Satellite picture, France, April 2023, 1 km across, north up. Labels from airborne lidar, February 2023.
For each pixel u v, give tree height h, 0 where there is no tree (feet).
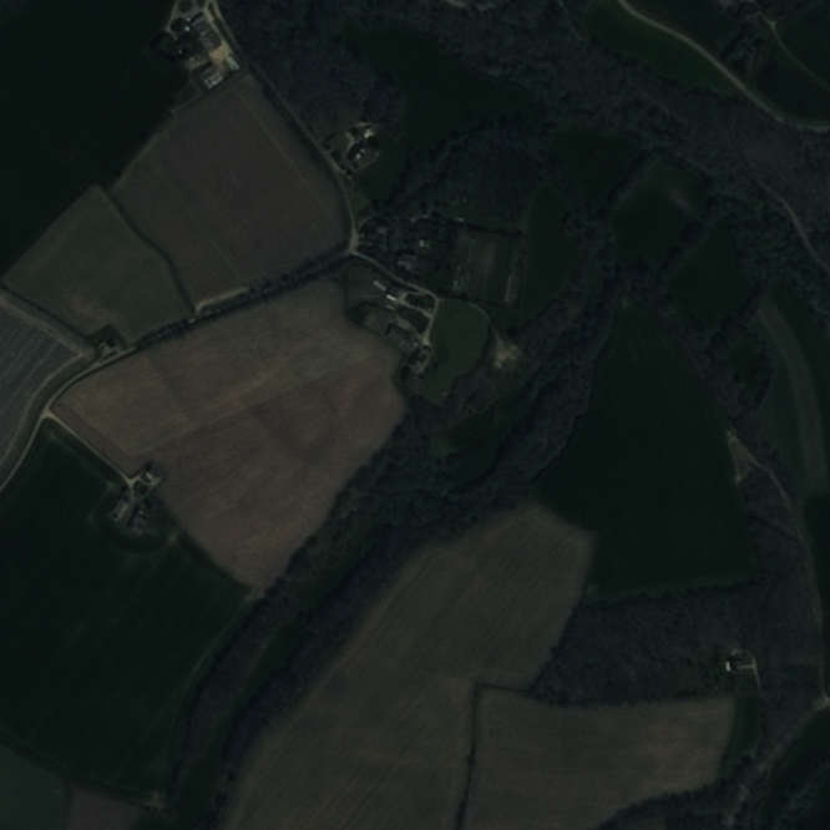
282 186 0
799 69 0
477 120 0
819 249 51
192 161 0
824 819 0
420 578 0
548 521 0
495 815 0
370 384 0
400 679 0
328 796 0
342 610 52
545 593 0
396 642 0
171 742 0
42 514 0
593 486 0
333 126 73
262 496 0
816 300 39
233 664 60
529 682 0
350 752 0
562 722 0
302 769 0
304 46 104
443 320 0
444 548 0
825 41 0
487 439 0
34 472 0
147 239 0
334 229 0
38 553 0
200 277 0
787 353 0
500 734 0
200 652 0
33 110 0
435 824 0
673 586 0
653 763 0
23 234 0
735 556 0
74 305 0
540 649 0
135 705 0
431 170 31
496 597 0
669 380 0
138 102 0
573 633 54
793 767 0
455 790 0
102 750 0
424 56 0
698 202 0
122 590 0
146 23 0
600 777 0
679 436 0
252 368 0
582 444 0
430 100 0
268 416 0
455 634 0
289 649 0
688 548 0
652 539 0
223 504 0
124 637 0
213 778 0
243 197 0
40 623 0
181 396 0
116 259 0
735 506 0
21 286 0
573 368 34
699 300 0
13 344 0
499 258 0
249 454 0
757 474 19
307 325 0
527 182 68
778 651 69
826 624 0
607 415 0
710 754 0
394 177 0
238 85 0
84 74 0
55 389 0
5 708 0
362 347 0
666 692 64
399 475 52
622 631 60
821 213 70
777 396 0
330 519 23
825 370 0
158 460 0
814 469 0
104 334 0
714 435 0
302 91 83
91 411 0
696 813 45
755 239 57
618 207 21
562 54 92
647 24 0
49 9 0
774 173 75
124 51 0
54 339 0
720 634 77
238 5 87
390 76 0
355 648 0
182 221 0
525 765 0
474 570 0
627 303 0
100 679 0
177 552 0
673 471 0
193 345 0
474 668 0
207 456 0
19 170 0
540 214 0
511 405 0
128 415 0
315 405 0
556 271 0
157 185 0
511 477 63
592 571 0
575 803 0
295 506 0
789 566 40
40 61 0
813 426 0
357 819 0
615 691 68
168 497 0
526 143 95
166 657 0
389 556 47
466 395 34
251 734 54
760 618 50
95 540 0
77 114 0
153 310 0
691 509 0
